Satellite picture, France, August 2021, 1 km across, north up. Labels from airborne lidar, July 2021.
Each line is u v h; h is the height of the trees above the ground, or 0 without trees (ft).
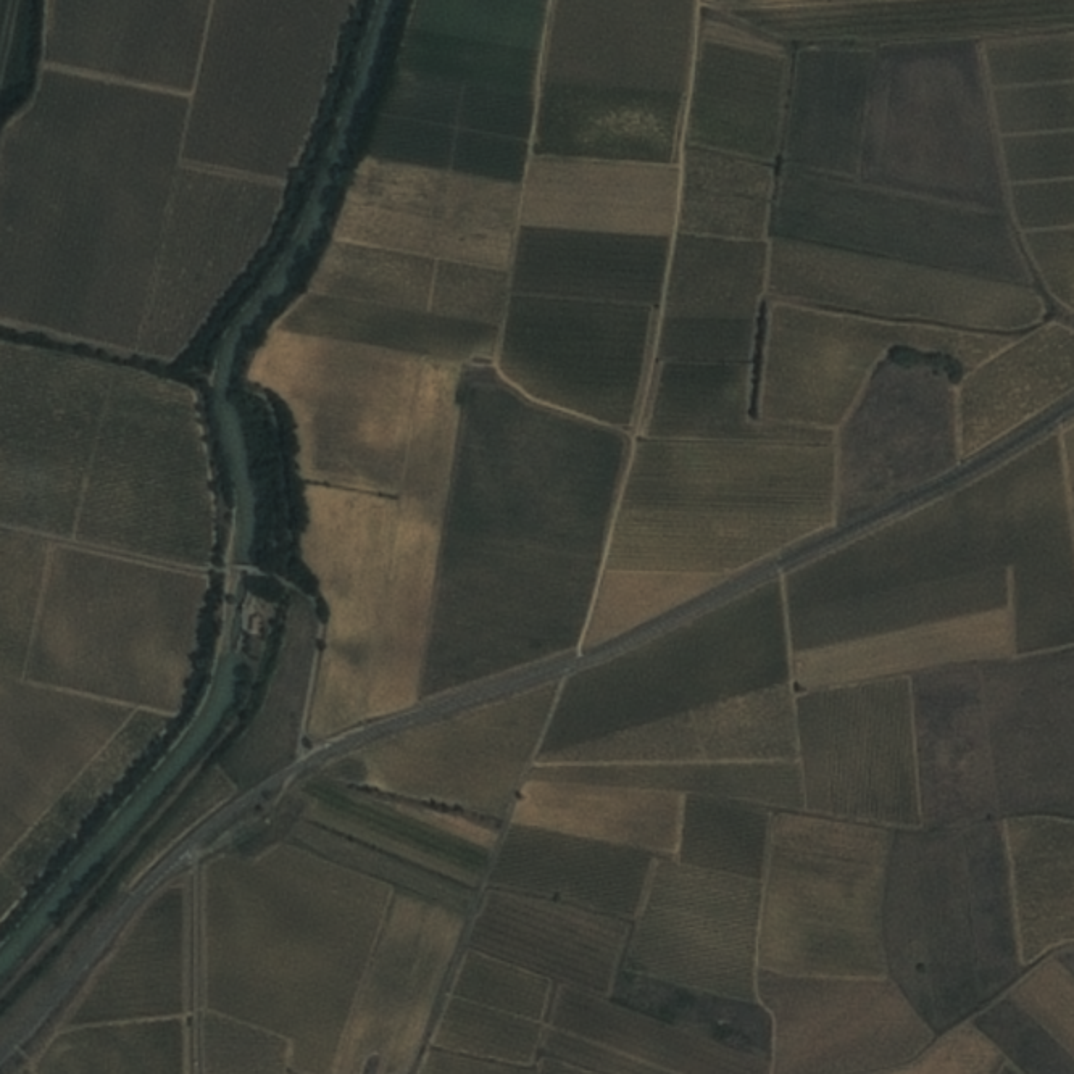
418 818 0
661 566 0
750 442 0
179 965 0
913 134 0
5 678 0
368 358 0
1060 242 0
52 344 27
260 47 0
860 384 0
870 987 0
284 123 0
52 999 0
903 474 0
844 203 0
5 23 0
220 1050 0
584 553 0
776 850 0
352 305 0
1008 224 0
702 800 0
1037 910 0
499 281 0
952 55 0
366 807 0
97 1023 0
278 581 44
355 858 0
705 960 0
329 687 0
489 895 0
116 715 0
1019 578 0
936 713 0
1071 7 0
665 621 0
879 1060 0
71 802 0
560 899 26
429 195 0
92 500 0
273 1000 0
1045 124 0
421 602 0
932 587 0
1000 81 0
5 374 0
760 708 0
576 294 0
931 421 0
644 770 0
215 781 0
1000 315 0
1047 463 0
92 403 0
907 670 0
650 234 0
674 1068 0
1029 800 0
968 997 0
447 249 0
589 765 0
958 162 0
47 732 0
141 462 0
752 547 0
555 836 0
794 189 0
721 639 0
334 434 0
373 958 0
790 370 0
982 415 0
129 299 0
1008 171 0
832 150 0
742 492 0
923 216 0
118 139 0
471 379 0
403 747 0
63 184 0
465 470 0
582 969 0
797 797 0
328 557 0
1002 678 0
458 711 0
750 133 0
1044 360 0
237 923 0
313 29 0
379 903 0
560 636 0
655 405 0
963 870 0
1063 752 0
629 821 0
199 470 0
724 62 0
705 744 0
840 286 0
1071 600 0
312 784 0
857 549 0
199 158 0
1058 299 0
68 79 0
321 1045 0
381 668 0
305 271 45
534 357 0
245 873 0
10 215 0
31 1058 0
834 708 0
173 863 0
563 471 0
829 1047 0
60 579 0
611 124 0
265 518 29
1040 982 0
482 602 0
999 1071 0
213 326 27
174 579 0
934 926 0
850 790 0
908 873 0
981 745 0
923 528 0
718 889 0
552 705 0
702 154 0
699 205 0
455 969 0
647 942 0
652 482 0
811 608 0
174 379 31
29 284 0
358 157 44
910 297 0
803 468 0
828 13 0
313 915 0
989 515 0
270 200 0
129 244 0
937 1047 0
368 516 0
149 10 0
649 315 0
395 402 0
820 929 0
